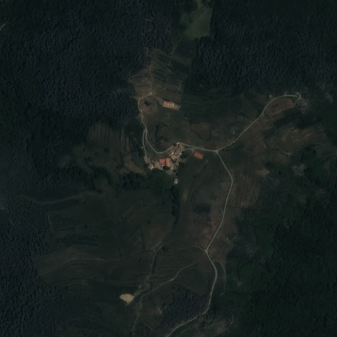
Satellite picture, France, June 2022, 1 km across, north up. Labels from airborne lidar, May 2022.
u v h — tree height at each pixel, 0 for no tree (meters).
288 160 0
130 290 0
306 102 0
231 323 10
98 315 0
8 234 5
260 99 0
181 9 15
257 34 16
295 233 16
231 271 0
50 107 9
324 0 10
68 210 0
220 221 0
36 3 8
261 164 0
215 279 0
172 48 12
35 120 26
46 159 15
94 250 0
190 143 0
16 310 11
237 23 15
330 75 9
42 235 17
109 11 24
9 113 18
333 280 24
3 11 9
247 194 0
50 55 11
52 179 6
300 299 26
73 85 26
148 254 0
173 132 0
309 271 17
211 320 13
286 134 0
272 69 10
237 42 16
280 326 16
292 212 0
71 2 16
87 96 23
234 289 0
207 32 0
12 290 19
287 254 24
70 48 21
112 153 0
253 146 0
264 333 17
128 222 0
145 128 0
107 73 21
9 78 18
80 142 13
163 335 0
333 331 29
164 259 0
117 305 0
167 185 0
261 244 0
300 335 27
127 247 0
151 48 12
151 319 0
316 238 21
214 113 0
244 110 0
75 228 7
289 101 0
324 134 0
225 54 7
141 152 7
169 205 0
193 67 6
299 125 6
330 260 26
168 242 0
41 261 0
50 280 0
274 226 17
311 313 19
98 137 0
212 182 0
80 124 7
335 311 24
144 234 0
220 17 11
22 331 17
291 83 6
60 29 17
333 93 10
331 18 13
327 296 28
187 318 17
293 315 23
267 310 22
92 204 0
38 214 8
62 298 10
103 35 22
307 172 15
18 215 9
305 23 12
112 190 0
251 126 0
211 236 0
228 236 0
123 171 0
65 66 22
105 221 0
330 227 21
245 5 14
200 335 0
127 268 0
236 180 0
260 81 8
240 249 0
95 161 0
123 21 22
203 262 0
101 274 0
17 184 7
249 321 11
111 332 0
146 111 0
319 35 9
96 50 23
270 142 0
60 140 17
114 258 0
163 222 0
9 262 17
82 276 0
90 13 25
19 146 6
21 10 14
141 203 0
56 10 9
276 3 26
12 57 19
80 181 9
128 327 0
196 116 0
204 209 0
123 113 11
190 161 0
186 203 0
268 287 9
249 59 16
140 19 15
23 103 12
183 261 0
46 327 10
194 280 0
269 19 23
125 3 14
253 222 0
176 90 0
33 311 11
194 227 0
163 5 11
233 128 0
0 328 6
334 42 11
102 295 0
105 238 0
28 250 12
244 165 0
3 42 11
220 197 0
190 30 0
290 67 6
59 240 8
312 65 17
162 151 0
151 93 0
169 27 14
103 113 8
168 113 0
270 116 0
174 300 9
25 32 7
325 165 0
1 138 11
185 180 0
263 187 0
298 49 12
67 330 0
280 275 16
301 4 18
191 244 0
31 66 23
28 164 9
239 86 6
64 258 0
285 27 14
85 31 20
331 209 13
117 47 21
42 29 9
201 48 19
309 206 18
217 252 0
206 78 7
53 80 19
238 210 0
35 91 17
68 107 19
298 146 0
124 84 7
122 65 5
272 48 11
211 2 9
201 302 16
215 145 0
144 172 0
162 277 0
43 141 21
